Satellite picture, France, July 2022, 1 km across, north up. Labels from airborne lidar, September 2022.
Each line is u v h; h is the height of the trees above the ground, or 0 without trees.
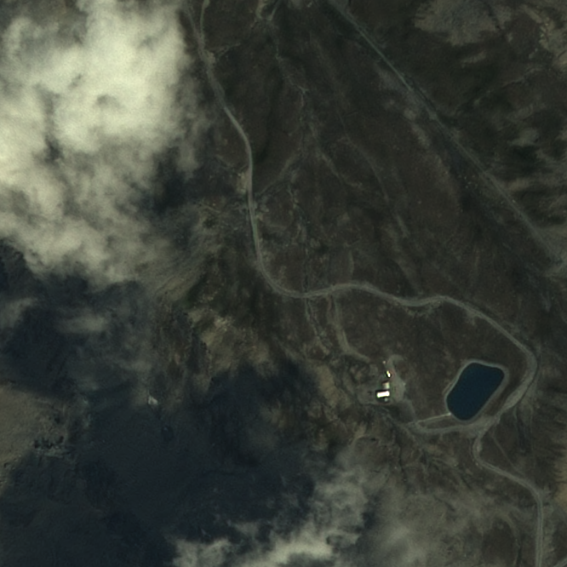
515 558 0
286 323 0
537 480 0
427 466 0
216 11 0
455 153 0
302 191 0
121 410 0
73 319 0
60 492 0
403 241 0
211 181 0
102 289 0
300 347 0
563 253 0
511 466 0
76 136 0
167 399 0
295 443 0
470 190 0
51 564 0
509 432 0
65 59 0
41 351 0
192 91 0
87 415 0
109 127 0
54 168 0
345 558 0
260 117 0
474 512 0
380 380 0
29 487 0
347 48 0
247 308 0
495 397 0
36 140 0
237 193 0
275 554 0
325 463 0
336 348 0
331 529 0
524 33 0
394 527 0
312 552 0
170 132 0
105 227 0
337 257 0
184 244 0
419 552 0
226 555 0
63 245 0
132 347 0
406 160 0
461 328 0
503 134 0
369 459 0
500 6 0
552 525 0
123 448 0
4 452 0
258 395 0
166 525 0
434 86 0
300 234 0
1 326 0
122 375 0
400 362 0
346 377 0
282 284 0
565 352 0
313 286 0
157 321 0
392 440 0
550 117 0
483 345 0
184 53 0
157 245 0
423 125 0
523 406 0
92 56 0
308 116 0
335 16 0
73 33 0
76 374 0
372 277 0
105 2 0
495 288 0
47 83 0
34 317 7
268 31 0
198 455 0
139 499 0
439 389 0
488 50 0
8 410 0
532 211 0
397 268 0
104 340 0
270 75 0
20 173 0
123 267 0
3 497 0
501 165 0
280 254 0
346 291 0
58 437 0
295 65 0
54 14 0
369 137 0
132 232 0
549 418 0
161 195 0
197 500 0
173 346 0
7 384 0
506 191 0
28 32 0
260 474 0
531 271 0
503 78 0
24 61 0
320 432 0
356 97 0
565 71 0
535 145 0
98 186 0
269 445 0
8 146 0
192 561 0
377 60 0
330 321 0
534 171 0
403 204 0
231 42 0
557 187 0
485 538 0
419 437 0
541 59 0
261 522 0
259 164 0
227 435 0
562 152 0
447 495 0
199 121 0
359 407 0
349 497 0
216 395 0
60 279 0
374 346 0
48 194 0
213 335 0
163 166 0
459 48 0
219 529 0
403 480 0
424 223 0
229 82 0
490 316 0
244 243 0
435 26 0
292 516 0
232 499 0
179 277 0
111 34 0
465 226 0
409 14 0
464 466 0
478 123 0
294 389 0
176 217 0
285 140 0
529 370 0
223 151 0
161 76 0
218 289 0
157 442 0
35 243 0
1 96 0
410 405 0
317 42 0
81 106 0
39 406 0
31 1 0
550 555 0
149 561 0
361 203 0
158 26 0
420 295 0
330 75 0
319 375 0
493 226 0
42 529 0
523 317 0
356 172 0
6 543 0
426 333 0
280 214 0
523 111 0
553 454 0
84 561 0
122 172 0
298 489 0
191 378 0
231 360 0
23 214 0
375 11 0
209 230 0
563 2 0
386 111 0
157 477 0
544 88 0
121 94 0
